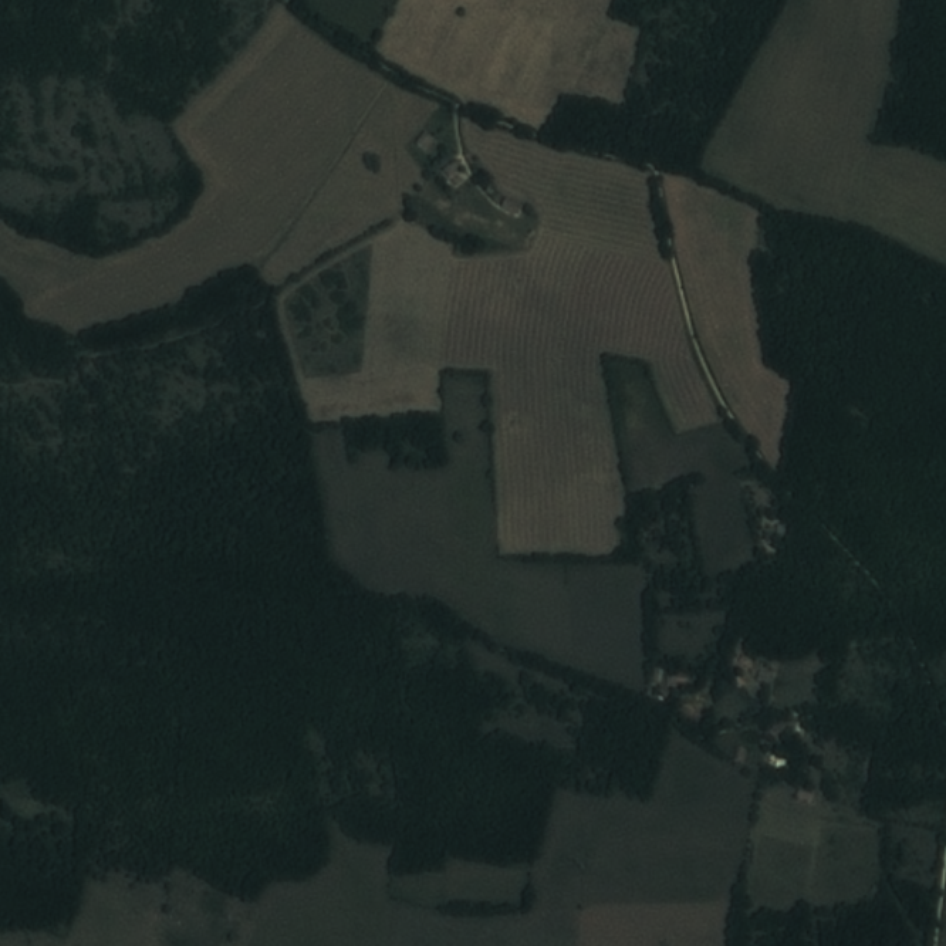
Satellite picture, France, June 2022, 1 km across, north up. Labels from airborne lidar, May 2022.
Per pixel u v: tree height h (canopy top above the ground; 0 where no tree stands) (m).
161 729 10
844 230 11
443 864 10
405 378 0
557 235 0
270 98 0
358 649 12
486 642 12
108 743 8
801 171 0
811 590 14
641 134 7
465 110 14
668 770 0
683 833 0
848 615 13
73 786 14
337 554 0
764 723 13
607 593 0
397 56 0
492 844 12
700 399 0
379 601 11
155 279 0
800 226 10
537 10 0
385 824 14
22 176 0
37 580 8
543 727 0
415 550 0
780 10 7
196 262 0
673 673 8
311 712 14
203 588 17
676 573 10
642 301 0
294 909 0
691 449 0
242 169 0
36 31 12
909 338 16
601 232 0
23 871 15
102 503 11
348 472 0
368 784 9
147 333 6
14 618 8
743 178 0
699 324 0
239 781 12
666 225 11
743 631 14
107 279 0
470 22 0
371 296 0
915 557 8
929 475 7
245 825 9
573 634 0
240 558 11
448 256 0
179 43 8
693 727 12
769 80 0
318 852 14
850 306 15
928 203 0
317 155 0
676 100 11
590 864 0
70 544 9
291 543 10
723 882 0
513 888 0
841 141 0
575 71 0
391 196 0
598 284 0
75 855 13
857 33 0
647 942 0
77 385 7
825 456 8
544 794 13
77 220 13
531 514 0
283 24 0
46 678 10
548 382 0
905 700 8
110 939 0
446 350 0
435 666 16
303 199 0
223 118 0
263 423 11
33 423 8
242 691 15
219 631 19
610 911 0
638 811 0
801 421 12
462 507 0
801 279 7
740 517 0
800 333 8
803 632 13
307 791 9
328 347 0
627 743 15
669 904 0
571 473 0
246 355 12
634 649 0
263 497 14
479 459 0
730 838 0
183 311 9
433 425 11
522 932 0
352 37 15
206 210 0
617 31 0
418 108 0
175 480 12
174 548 12
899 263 8
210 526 13
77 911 13
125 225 8
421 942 0
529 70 0
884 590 12
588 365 0
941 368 14
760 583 12
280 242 0
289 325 0
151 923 0
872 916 12
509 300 0
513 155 0
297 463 13
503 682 10
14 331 7
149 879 7
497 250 0
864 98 0
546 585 0
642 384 0
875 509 7
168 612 16
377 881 0
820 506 10
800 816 0
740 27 8
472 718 12
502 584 0
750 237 0
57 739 15
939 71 10
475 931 0
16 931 12
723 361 0
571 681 13
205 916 0
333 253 7
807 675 0
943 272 11
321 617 16
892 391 13
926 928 10
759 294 11
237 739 11
